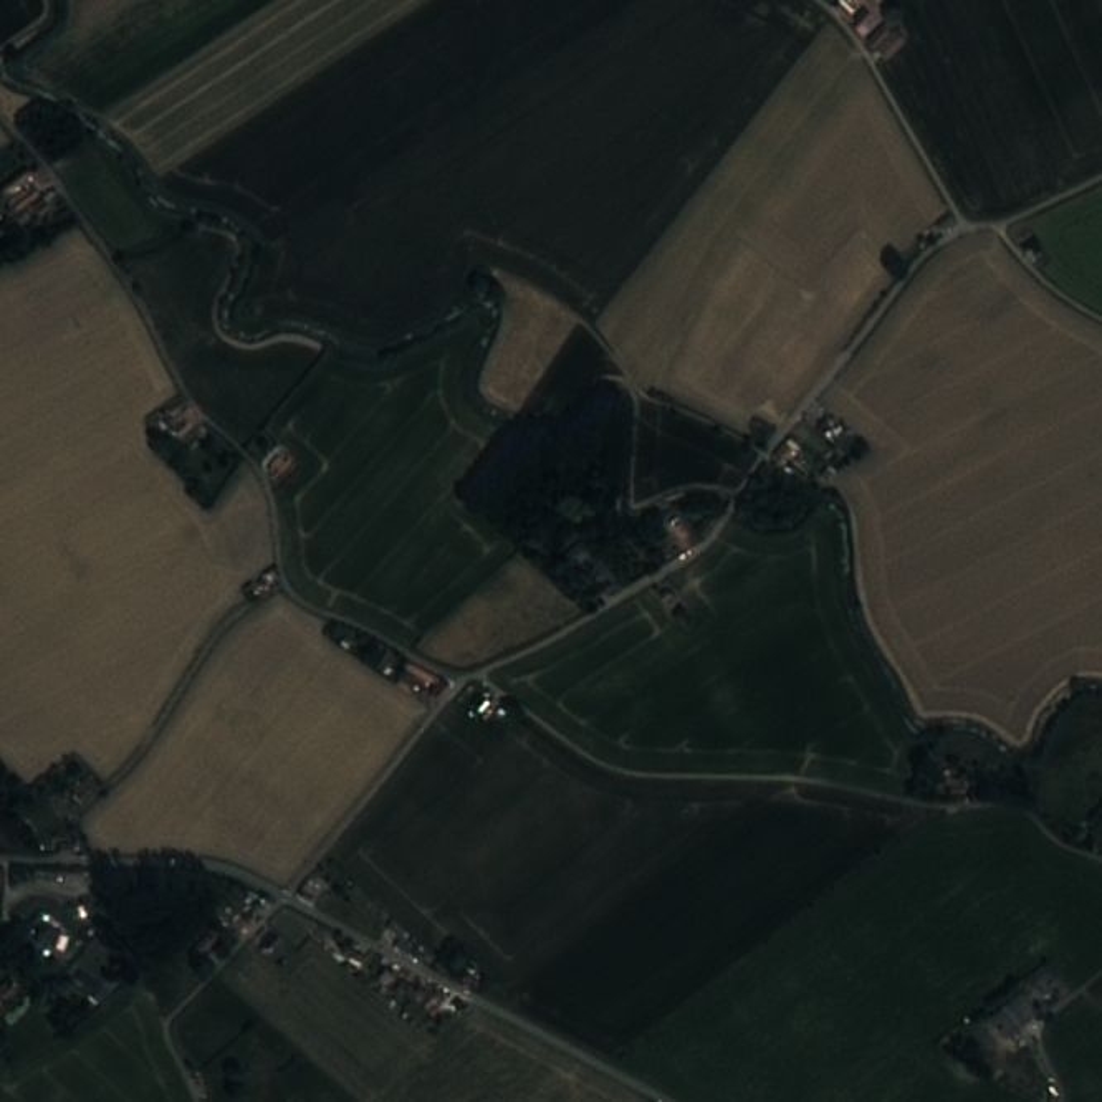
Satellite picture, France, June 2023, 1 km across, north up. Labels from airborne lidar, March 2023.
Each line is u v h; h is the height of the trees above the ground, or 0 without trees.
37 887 0
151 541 0
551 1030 0
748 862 0
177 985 0
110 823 0
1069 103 0
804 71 0
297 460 0
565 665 0
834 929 0
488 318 0
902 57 0
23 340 0
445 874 0
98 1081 0
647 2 0
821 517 0
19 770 0
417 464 0
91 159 0
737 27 0
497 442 0
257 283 0
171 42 0
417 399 0
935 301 0
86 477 0
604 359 0
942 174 0
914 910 0
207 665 0
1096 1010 0
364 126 0
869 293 0
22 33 0
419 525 0
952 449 0
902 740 0
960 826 0
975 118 0
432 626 0
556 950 0
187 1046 0
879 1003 0
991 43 0
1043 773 0
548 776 0
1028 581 0
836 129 0
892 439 0
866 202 0
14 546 0
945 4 0
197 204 0
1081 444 0
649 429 0
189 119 0
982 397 0
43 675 0
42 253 0
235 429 0
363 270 0
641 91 0
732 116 0
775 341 0
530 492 15
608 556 6
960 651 0
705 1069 0
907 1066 0
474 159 0
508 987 0
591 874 0
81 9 0
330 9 0
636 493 0
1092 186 0
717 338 0
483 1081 0
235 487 0
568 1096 0
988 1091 0
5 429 0
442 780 0
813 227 0
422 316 0
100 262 0
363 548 0
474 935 0
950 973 0
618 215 0
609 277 0
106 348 0
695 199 0
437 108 0
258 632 0
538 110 0
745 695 0
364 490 0
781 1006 0
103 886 31
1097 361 0
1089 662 0
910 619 0
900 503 0
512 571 0
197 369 0
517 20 0
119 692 0
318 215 0
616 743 0
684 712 0
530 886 0
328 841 0
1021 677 0
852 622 0
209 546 0
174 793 0
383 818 0
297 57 0
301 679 0
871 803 0
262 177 0
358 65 0
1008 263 0
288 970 0
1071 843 7
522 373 0
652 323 0
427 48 0
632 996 0
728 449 0
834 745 0
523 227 0
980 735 0
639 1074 0
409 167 0
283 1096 0
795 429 0
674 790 0
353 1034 0
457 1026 0
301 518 0
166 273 0
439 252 0
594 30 0
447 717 0
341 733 0
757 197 0
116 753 0
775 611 0
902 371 0
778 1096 0
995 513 0
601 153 0
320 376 0
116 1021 0
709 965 0
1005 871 0
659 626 0
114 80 0
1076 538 0
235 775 0
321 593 0
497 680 0
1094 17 0
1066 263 0
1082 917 0
